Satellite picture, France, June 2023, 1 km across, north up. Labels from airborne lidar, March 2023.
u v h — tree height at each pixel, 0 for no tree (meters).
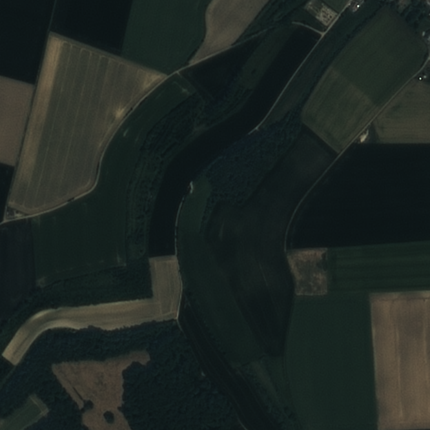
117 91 0
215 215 0
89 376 0
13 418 0
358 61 0
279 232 0
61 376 0
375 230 0
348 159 0
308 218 0
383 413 0
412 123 0
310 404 0
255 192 0
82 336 19
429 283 0
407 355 0
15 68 0
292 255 0
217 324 0
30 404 0
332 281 0
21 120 0
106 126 0
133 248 0
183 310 0
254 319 0
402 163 0
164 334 13
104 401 0
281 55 0
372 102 0
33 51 0
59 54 0
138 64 0
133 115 0
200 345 0
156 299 0
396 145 0
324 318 0
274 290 0
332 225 0
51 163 0
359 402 0
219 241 0
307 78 0
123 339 23
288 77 0
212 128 0
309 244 0
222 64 0
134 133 0
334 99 0
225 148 0
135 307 0
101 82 0
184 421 29
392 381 0
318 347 0
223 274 0
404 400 0
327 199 0
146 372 25
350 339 0
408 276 0
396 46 0
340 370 0
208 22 0
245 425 0
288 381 0
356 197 0
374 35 0
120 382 0
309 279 0
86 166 0
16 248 0
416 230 0
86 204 0
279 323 0
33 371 20
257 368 0
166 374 32
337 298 0
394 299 0
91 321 0
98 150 0
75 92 0
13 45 0
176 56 0
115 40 0
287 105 0
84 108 0
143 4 0
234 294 0
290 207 0
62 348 15
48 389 20
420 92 0
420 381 0
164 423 29
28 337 0
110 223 0
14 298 0
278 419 8
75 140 0
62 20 0
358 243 0
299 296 0
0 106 0
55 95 0
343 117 0
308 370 0
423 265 0
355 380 0
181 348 22
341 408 0
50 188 0
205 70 0
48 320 0
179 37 0
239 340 0
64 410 20
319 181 0
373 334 0
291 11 7
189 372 23
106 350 22
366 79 0
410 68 0
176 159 0
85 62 0
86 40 0
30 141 0
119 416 0
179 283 0
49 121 0
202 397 26
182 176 0
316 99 0
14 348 0
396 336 0
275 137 18
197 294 0
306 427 0
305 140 0
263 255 0
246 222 0
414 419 0
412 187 0
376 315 0
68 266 0
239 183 21
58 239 0
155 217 0
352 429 0
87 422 0
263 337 0
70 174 0
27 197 0
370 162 0
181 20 0
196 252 0
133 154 0
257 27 0
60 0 0
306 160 0
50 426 22
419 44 0
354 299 0
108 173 0
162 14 0
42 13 0
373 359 0
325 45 0
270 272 0
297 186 0
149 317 0
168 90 0
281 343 0
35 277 0
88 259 0
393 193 0
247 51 0
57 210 0
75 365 0
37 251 0
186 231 0
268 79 0
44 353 20
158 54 0
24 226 0
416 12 15
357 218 0
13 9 0
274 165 0
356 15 0
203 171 8
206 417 24
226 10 0
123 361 0
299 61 0
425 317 0
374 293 0
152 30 0
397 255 0
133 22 0
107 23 0
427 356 0
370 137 0
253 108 0
